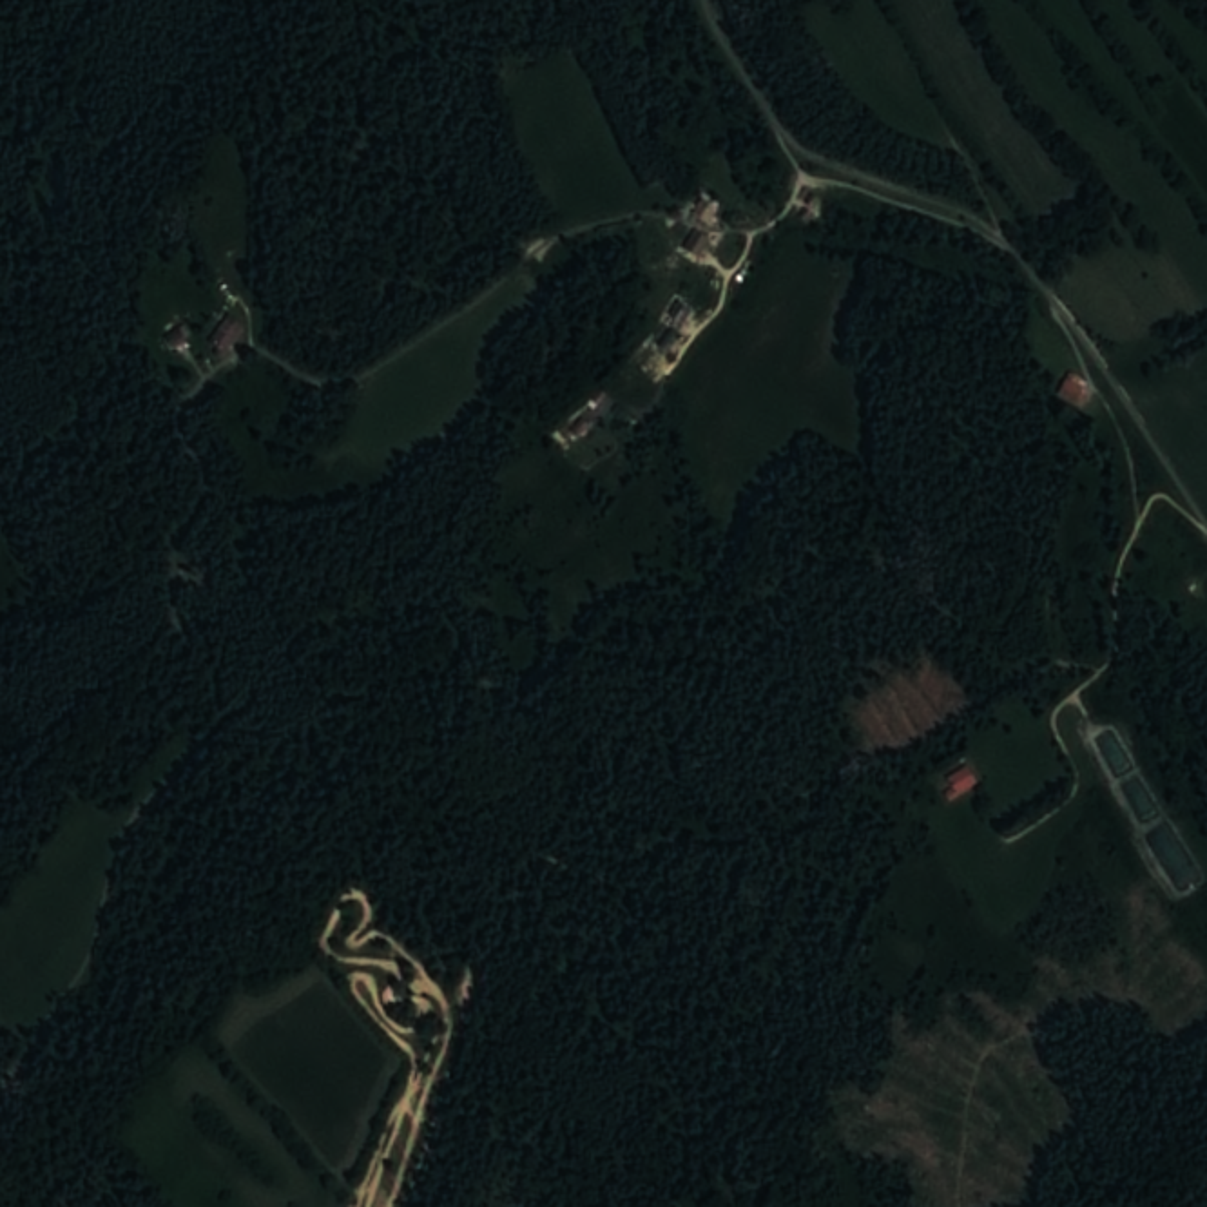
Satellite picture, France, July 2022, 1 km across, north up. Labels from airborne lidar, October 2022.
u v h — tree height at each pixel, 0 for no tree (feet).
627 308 70
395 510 69
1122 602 50
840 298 0
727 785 86
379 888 79
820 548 51
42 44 78
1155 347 0
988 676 46
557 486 0
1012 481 85
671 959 90
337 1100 0
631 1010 90
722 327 0
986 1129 0
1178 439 0
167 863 21
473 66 98
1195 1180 67
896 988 0
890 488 94
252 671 102
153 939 46
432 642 71
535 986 87
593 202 0
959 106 0
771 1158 84
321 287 55
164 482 67
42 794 88
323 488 0
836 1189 33
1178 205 0
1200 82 32
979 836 0
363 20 80
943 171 56
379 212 95
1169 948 0
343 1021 0
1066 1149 74
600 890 99
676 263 0
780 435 0
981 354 89
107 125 85
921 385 99
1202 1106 98
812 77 79
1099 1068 92
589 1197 66
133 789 19
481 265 73
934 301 22
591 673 87
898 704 0
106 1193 55
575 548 0
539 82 0
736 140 61
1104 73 0
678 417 17
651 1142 82
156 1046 52
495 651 102
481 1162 79
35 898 0
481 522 29
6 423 81
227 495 102
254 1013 0
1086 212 82
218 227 0
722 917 96
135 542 79
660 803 94
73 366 93
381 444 0
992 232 0
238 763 66
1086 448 68
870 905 66
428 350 0
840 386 0
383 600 92
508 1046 71
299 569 98
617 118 70
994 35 31
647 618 31
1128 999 0
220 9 76
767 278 0
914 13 0
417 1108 0
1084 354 0
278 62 92
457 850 106
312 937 59
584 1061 54
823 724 78
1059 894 38
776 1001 82
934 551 92
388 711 84
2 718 47
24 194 100
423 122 83
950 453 91
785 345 0
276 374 24
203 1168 0
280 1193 0
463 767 71
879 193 0
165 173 81
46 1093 49
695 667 59
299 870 69
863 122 77
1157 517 0
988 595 71
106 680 86
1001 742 0
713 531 62
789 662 87
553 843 87
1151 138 26
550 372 32
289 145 77
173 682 51
